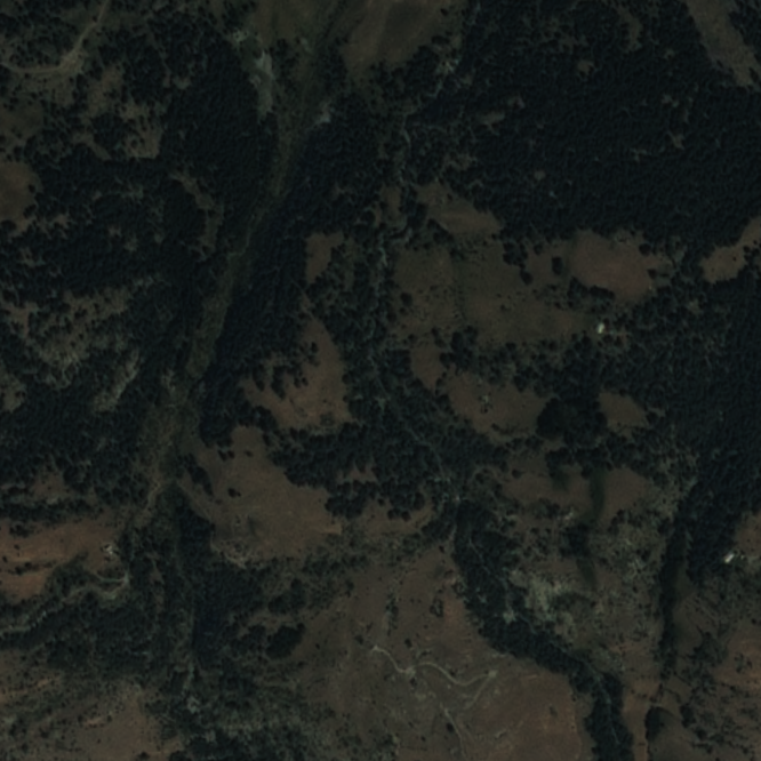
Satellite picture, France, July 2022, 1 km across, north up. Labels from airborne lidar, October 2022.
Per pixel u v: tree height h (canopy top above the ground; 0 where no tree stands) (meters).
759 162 24
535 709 0
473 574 14
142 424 11
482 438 10
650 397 18
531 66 8
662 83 17
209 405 10
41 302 17
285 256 21
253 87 11
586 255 0
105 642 10
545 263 0
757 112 24
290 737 10
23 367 15
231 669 8
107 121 11
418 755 0
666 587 19
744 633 0
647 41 11
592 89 13
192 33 12
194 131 16
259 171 8
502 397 0
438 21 0
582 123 22
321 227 16
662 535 14
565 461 19
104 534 0
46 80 6
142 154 12
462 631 0
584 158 17
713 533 19
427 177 19
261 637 10
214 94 21
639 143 18
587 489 0
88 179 11
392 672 0
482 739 0
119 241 18
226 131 19
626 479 0
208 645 7
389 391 17
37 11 9
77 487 15
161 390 10
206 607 7
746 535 0
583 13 12
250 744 7
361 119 8
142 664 9
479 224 0
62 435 18
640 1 10
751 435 13
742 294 23
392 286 11
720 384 22
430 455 15
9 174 0
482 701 0
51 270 7
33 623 13
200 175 11
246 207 14
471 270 0
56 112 8
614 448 23
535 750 0
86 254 25
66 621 11
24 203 0
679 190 25
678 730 0
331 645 0
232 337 14
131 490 9
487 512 9
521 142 12
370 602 0
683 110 14
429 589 0
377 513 0
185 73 16
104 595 0
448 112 14
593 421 11
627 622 0
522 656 9
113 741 0
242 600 10
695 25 17
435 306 0
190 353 15
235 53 7
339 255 11
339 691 0
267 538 0
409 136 17
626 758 15
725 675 0
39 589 0
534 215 19
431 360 0
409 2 0
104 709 0
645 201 17
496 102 15
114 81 0
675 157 10
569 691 0
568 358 11
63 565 0
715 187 10
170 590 12
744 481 10
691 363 14
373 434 9
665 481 15
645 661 0
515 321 0
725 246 12
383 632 0
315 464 14
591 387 22
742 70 0
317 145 14
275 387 14
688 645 0
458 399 0
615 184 21
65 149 7
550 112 8
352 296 14
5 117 0
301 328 15
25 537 11
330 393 0
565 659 22
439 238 14
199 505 0
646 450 11
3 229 9
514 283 0
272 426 21
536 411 0
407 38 0
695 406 16
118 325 13
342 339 12
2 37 7
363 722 0
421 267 0
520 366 10
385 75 13
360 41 0
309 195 17
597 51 12
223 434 22
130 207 23
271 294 15
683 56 15
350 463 18
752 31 12
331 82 7
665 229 18
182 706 8
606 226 19
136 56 13
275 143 14
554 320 0
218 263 9
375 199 14
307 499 0
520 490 0
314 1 0
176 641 9
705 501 6
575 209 12
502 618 6
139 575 11
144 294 18
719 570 12
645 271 0
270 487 0
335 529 0
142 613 6
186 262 22
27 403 9
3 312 7
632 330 11
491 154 13
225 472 0
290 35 0
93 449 17
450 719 0
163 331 10
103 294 13
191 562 10
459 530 13
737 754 0
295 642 17
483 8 12
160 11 13
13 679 0
